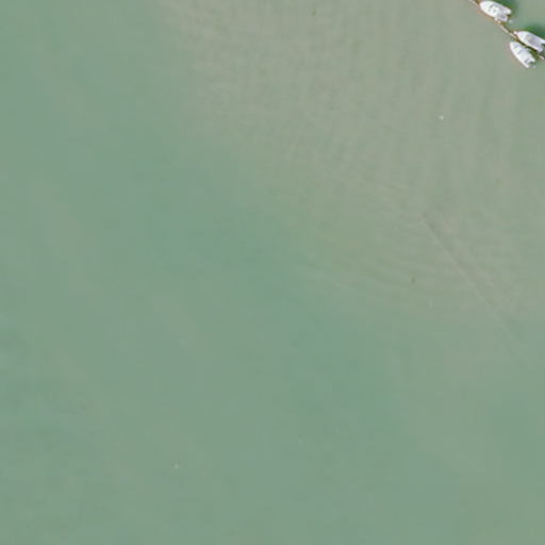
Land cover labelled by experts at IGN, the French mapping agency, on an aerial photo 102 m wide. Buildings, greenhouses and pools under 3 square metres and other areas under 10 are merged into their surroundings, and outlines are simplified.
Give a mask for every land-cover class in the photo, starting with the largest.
<instances>
[{"label":"water","instance_id":"1","mask_svg":"<svg viewBox=\"0 0 545 545\"><path fill-rule=\"evenodd\" d=\"M0 545H545V0H0Z\"/></svg>","mask_w":545,"mask_h":545}]
</instances>
